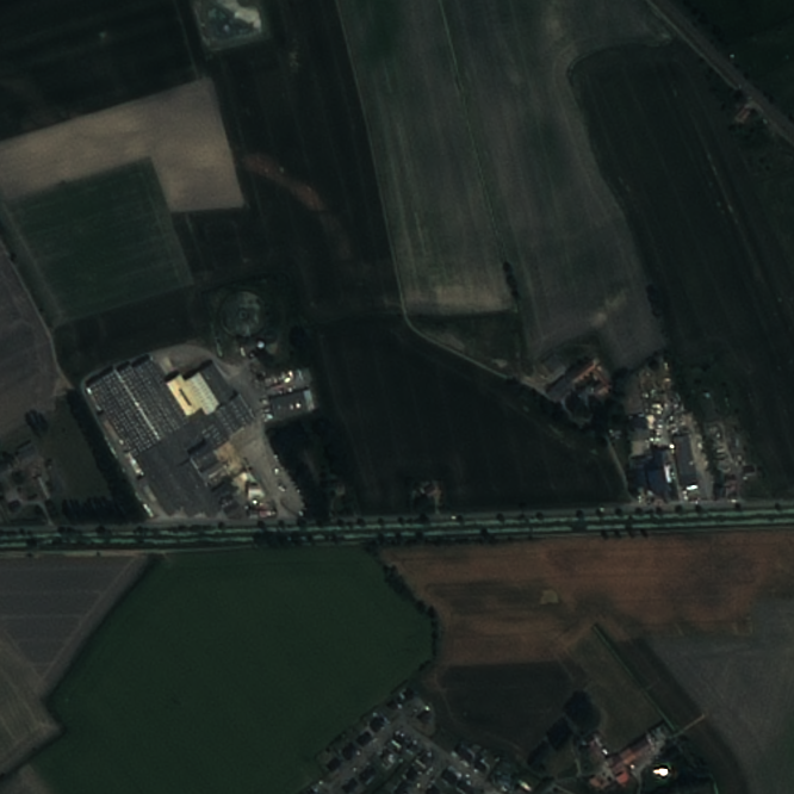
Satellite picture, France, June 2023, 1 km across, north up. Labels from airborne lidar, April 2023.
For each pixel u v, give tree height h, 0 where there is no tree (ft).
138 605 0
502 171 0
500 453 0
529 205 0
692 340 0
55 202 0
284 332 0
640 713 0
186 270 0
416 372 0
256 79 0
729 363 0
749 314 0
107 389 0
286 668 0
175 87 0
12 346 0
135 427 0
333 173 0
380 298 0
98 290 0
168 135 0
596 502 0
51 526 0
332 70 0
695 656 0
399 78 0
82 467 0
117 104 0
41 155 0
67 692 0
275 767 0
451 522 0
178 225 0
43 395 0
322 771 0
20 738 0
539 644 0
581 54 0
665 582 0
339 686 0
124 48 0
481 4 0
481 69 0
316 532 0
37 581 0
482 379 0
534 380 0
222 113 0
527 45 0
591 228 0
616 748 0
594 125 0
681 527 0
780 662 0
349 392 0
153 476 0
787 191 0
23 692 0
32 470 0
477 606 0
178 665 0
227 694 0
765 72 0
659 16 0
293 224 0
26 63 0
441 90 0
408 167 0
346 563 0
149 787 0
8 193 0
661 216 0
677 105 0
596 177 0
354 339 0
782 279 0
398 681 0
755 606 0
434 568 0
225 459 0
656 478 0
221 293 0
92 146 0
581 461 0
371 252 0
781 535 0
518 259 0
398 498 0
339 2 0
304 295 0
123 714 0
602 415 51
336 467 74
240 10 0
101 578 0
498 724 0
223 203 0
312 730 0
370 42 0
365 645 0
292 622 0
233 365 0
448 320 0
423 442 0
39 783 0
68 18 0
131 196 0
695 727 0
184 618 0
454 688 0
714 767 0
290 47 0
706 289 0
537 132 0
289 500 0
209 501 0
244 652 0
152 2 0
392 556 0
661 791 22
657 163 0
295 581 0
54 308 0
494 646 0
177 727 0
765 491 0
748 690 0
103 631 0
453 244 0
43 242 0
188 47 0
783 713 0
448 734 0
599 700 0
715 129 0
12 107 0
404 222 0
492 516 0
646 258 0
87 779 0
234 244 0
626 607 0
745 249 0
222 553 0
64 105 0
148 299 0
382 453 0
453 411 0
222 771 0
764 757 0
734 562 0
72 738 0
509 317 0
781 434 0
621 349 0
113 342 0
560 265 0
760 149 0
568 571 0
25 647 0
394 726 0
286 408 0
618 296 0
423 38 0
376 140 0
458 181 0
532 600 0
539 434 0
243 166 0
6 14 0
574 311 0
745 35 0
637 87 0
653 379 0
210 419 0
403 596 49
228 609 0
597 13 0
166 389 0
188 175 0
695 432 0
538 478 0
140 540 0
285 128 0
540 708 0
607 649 0
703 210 0
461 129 0
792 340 0
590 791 0
